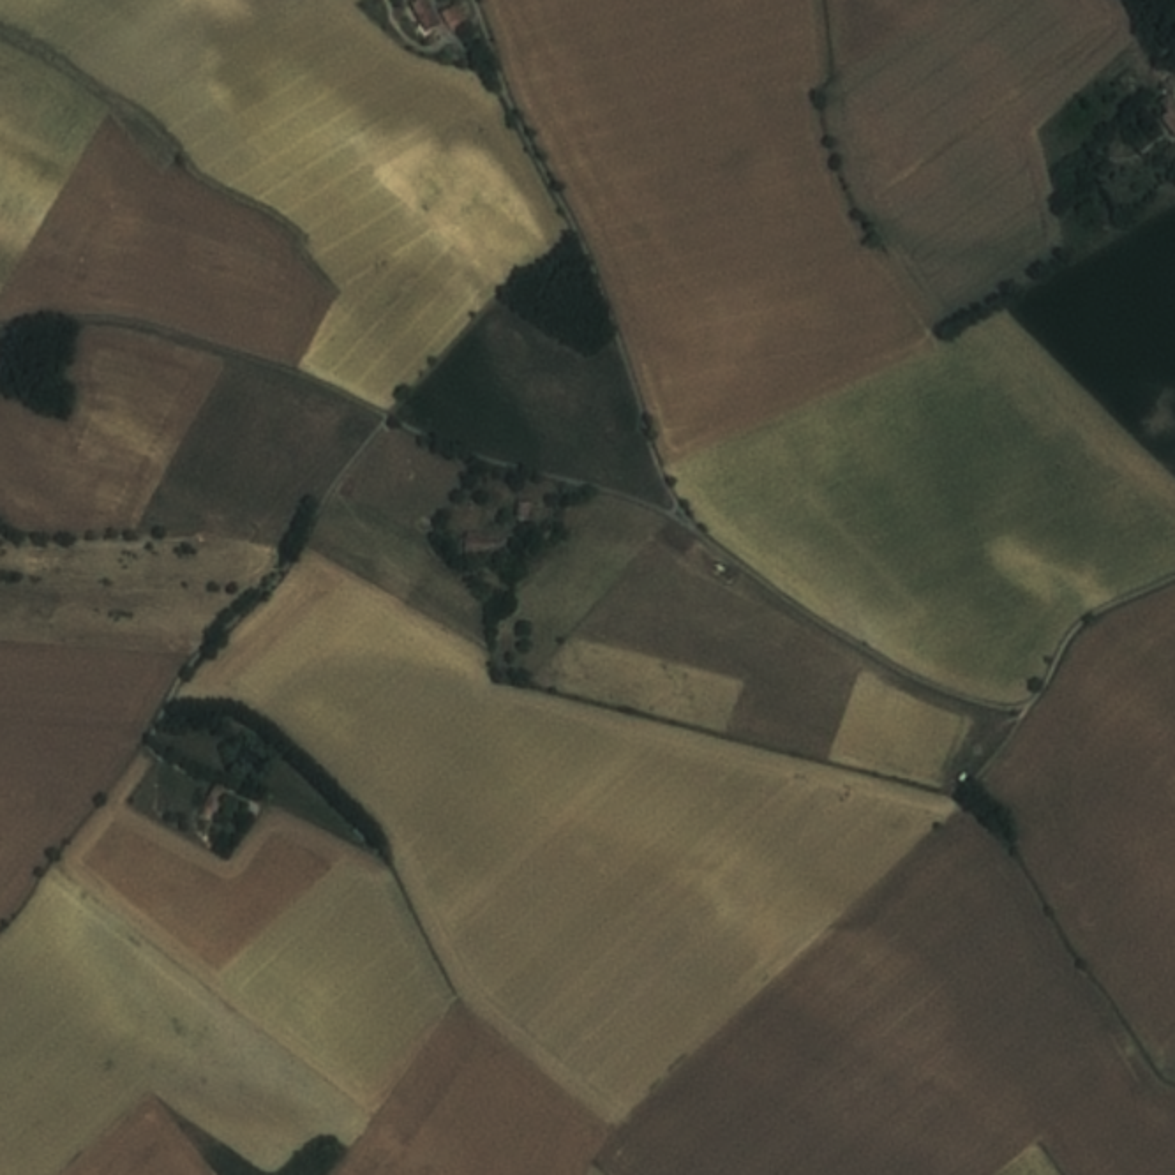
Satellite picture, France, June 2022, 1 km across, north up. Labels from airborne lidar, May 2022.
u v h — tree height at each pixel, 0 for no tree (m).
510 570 7
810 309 0
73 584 0
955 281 0
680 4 0
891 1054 0
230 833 8
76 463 0
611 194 0
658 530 0
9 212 0
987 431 0
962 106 0
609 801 0
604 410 0
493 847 0
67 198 0
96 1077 0
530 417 0
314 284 0
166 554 0
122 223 0
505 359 0
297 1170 0
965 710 0
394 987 0
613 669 0
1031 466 0
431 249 0
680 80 0
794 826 0
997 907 0
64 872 0
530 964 0
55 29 0
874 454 0
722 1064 0
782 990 0
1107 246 0
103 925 0
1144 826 0
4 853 0
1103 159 9
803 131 0
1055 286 0
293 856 0
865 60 0
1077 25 0
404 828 0
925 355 0
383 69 0
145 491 0
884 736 0
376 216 0
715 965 0
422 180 0
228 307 0
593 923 0
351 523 0
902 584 0
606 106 0
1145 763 0
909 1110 0
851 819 0
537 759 0
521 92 0
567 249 16
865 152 0
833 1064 0
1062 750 0
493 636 8
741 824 0
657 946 0
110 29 0
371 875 0
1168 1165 0
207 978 0
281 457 0
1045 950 0
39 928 0
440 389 0
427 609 0
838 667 0
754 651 0
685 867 0
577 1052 0
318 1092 0
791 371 0
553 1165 0
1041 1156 0
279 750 27
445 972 0
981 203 0
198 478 0
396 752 0
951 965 0
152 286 0
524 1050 0
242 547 0
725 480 0
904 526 0
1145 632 0
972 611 0
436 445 16
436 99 0
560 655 0
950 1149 0
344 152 0
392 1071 0
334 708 0
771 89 0
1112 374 0
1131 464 0
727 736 0
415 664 0
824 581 0
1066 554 0
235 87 0
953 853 0
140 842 0
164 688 0
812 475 0
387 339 0
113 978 0
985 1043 0
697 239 0
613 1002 0
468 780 0
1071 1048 0
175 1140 0
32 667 0
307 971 0
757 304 0
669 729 0
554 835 0
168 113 0
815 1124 0
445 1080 0
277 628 0
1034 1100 0
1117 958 0
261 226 0
